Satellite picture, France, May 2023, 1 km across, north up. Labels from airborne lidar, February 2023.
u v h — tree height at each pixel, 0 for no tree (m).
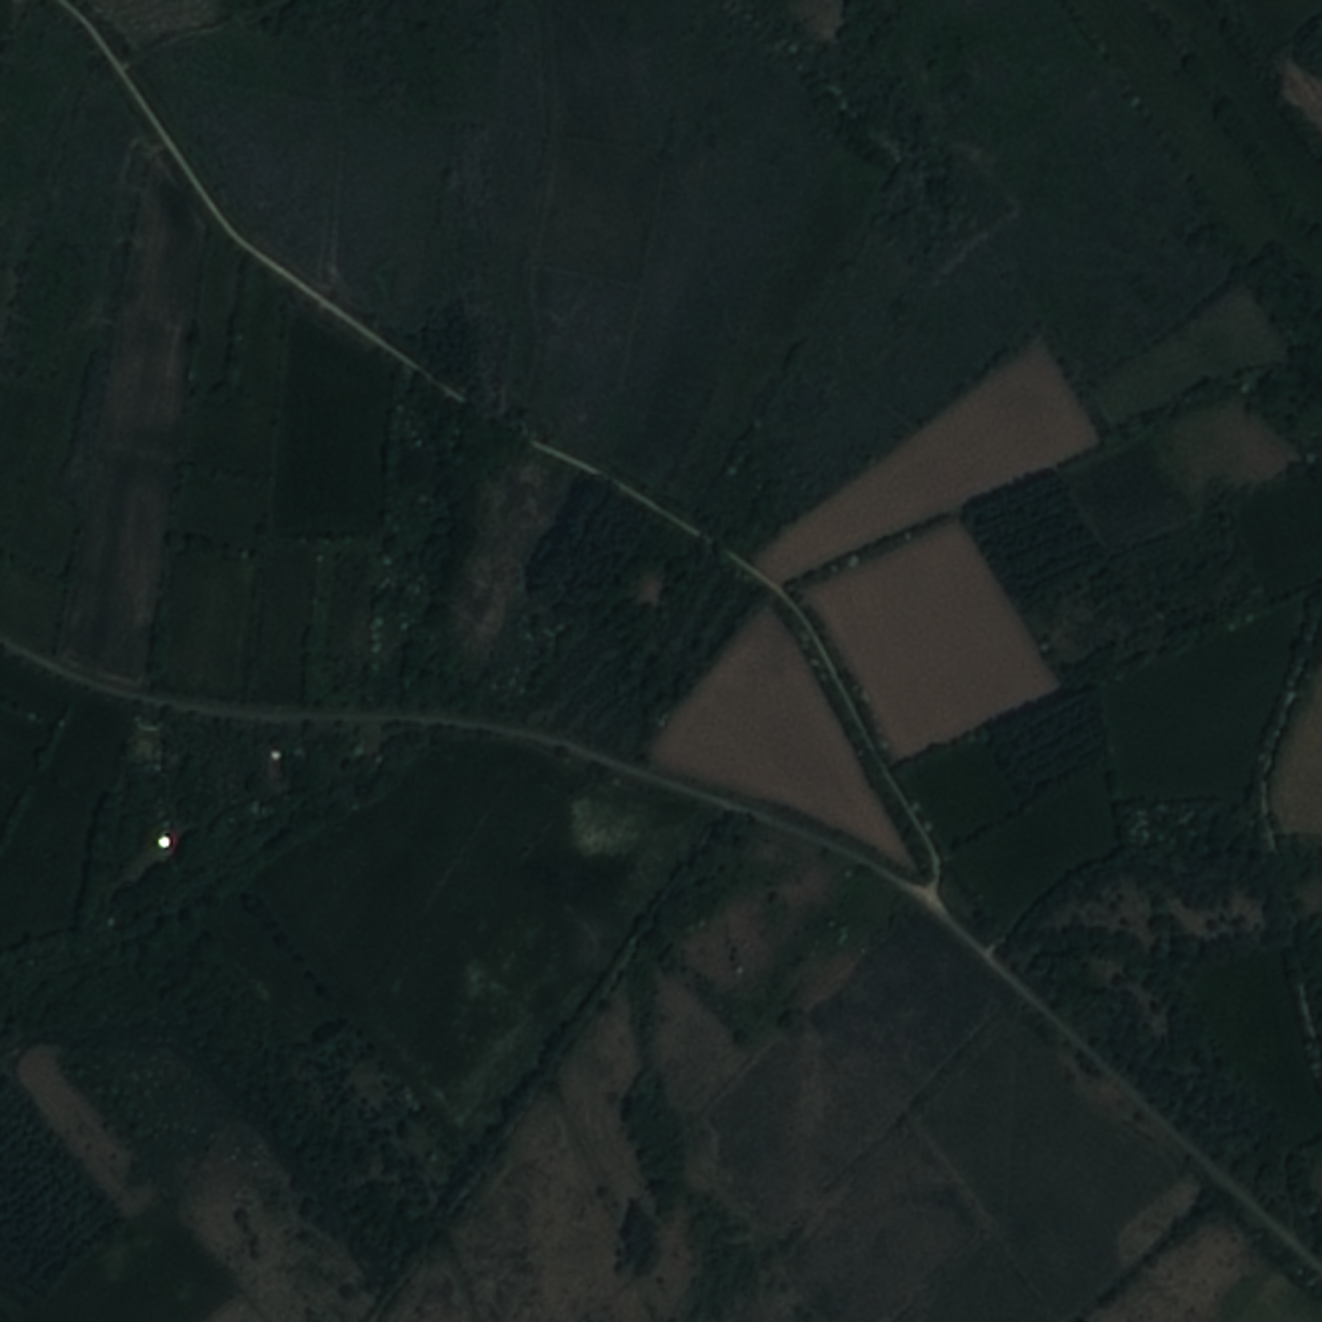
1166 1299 0
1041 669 0
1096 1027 8
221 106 0
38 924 0
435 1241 7
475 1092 0
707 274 0
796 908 0
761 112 0
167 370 0
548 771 0
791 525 6
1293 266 9
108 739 0
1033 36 0
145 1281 0
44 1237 20
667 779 0
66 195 0
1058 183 0
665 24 0
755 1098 0
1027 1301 0
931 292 0
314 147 0
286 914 0
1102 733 20
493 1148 13
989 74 0
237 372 7
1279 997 0
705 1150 0
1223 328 0
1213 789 0
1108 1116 0
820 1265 0
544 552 10
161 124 0
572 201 0
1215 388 11
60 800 0
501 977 0
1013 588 18
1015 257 0
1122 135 0
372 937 0
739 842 9
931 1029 0
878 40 12
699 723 0
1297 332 7
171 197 0
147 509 0
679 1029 0
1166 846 6
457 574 10
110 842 13
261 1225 0
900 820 6
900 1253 0
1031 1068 0
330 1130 9
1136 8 0
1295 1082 0
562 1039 15
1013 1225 0
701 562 14
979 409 0
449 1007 0
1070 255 0
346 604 0
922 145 9
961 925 0
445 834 0
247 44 0
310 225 0
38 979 7
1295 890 9
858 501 0
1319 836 0
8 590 0
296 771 14
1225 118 10
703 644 12
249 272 8
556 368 0
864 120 12
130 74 0
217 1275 0
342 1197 12
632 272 0
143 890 10
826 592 0
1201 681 0
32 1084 0
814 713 0
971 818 0
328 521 0
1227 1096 12
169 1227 0
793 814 5
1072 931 11
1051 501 15
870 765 10
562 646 8
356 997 0
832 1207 0
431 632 12
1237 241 6
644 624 7
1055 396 0
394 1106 10
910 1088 0
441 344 17
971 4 0
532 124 0
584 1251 0
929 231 6
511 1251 0
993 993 0
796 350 6
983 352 0
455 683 10
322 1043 17
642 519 21
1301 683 9
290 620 0
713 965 0
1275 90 6
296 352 0
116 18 0
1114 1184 0
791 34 8
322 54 0
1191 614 7
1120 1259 0
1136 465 0
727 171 0
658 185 0
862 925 0
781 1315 0
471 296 7
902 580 0
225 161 0
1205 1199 9
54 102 0
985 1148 0
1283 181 6
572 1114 0
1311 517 0
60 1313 0
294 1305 0
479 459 15
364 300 0
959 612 0
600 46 0
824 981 0
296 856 0
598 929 0
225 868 8
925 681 0
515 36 0
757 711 0
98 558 0
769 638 0
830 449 0
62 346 0
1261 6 0
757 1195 0
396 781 11
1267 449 0
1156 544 7
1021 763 21
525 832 0
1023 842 0
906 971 0
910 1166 0
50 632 0
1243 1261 0
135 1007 5
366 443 0
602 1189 7
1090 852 0
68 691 0
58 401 0
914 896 0
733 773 0
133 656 0
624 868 0
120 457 0
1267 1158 8
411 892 0
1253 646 0
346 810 9
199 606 0
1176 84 0
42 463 0
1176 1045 10
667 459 0
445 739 11
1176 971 13
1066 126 0
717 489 6
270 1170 0
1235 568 7
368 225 0
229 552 6
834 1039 0
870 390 0
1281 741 6
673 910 14
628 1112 13
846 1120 0
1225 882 7
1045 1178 0
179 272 0
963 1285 0
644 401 0
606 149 0
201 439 0
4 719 0
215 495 0
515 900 0
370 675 6
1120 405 0
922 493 0
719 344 0
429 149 0
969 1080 0
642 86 0
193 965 9
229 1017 8
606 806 0
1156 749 0
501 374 9
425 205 0
